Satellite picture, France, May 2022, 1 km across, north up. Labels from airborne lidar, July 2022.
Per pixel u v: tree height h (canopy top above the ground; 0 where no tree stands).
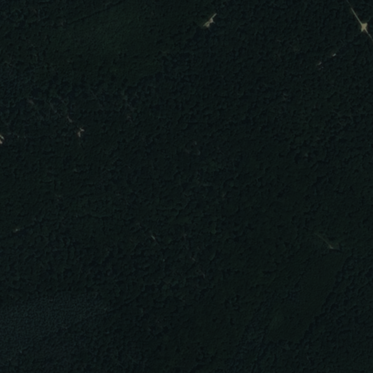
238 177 30
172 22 27
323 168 29
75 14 25
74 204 25
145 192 28
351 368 24
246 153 27
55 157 27
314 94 25
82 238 25
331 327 29
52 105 32
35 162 22
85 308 20
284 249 27
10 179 29
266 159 28
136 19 23
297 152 29
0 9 17
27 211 27
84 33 19
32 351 27
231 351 37
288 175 31
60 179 25
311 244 21
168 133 28
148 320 31
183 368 12
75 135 26
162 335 35
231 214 25
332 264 18
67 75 14
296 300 26
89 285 29
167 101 27
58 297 21
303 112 19
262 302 30
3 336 24
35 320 23
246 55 28
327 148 31
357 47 26
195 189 30
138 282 32
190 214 28
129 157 29
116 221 25
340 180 26
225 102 26
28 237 34
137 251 19
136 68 28
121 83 12
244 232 29
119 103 30
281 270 28
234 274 27
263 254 32
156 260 28
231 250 28
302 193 31
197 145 28
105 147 25
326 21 28
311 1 27
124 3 25
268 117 27
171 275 31
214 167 30
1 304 27
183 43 24
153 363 31
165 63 22
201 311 30
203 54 28
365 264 27
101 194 27
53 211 29
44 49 26
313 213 32
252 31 27
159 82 31
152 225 29
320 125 28
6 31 29
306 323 17
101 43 21
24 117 30
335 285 18
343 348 28
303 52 21
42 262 31
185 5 27
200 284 29
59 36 18
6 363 21
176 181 26
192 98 29
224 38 30
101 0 25
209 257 29
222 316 32
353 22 25
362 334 28
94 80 12
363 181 23
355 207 25
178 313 28
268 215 30
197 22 18
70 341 20
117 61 27
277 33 27
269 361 32
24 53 28
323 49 20
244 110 25
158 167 26
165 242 30
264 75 25
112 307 27
